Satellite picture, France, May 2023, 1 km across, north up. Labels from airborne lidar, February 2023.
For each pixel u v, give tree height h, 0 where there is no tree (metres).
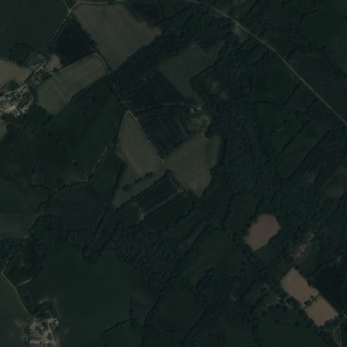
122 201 0
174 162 0
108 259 0
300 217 13
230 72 9
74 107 0
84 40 0
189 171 0
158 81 0
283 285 0
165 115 0
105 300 0
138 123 6
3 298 0
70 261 0
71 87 0
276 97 0
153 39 0
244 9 0
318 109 9
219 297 22
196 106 0
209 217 9
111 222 0
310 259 0
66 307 0
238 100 12
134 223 0
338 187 0
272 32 17
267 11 0
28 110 0
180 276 19
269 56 14
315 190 13
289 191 8
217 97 0
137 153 0
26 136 7
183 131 0
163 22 16
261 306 17
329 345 19
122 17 0
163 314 0
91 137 0
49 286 0
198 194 0
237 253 0
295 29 12
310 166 10
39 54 8
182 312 0
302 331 0
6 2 0
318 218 8
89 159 0
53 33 0
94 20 0
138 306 0
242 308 11
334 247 7
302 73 7
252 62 0
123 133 0
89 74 0
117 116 0
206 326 21
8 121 0
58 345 0
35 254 0
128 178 0
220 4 0
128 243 13
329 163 15
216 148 0
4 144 0
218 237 0
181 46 17
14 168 0
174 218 0
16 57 0
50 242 12
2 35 0
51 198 14
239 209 0
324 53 17
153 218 0
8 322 0
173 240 0
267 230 0
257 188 10
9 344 0
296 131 0
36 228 12
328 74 0
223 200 0
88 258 21
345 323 17
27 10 0
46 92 0
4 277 0
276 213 14
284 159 0
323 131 0
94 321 0
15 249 17
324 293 0
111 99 0
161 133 0
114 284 0
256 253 0
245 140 11
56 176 0
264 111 0
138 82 16
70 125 0
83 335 0
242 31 0
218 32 8
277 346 0
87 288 0
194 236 0
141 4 0
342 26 0
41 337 0
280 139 0
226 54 24
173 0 7
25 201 0
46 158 0
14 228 0
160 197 0
